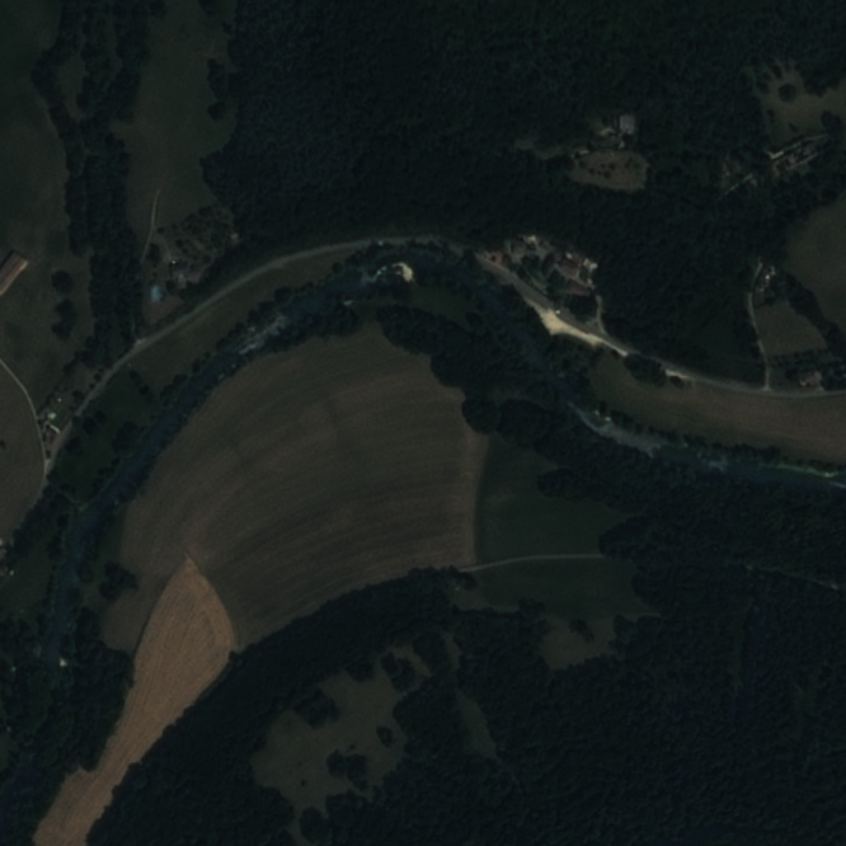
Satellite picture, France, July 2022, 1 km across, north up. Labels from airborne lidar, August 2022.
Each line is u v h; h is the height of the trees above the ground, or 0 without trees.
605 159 0
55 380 0
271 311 17
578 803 31
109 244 20
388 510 0
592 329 0
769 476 0
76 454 15
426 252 9
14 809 29
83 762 23
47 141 0
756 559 14
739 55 20
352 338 0
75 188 20
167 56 0
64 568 0
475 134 24
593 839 34
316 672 14
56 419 0
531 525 0
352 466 0
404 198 19
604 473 17
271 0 18
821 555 13
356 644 17
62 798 0
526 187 20
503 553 0
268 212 25
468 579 16
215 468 0
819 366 15
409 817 23
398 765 0
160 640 0
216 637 0
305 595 0
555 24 24
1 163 0
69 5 20
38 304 0
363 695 0
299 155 9
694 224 18
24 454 0
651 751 21
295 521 0
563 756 26
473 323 18
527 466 0
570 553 0
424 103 19
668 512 27
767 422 0
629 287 26
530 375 20
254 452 0
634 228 25
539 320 18
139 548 0
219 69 18
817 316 20
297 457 0
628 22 16
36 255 0
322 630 17
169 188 0
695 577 24
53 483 17
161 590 0
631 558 26
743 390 0
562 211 21
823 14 20
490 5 25
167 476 0
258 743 18
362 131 19
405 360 0
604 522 0
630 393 0
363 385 0
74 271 0
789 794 32
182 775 19
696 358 6
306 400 0
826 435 0
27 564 0
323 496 0
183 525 0
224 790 21
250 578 0
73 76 0
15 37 0
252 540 0
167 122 0
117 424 0
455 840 24
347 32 25
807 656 23
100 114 19
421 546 0
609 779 29
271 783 0
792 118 0
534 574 0
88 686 32
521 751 26
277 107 17
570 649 0
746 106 13
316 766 0
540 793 24
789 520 17
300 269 0
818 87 30
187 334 0
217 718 16
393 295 26
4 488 0
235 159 25
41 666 28
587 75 17
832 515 11
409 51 20
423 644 25
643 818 29
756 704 25
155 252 13
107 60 14
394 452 0
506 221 24
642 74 21
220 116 13
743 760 26
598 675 23
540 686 23
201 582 0
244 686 15
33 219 0
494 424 15
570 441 22
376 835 24
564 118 24
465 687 23
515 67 25
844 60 10
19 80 0
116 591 13
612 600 0
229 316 0
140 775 24
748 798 31
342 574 0
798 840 18
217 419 0
